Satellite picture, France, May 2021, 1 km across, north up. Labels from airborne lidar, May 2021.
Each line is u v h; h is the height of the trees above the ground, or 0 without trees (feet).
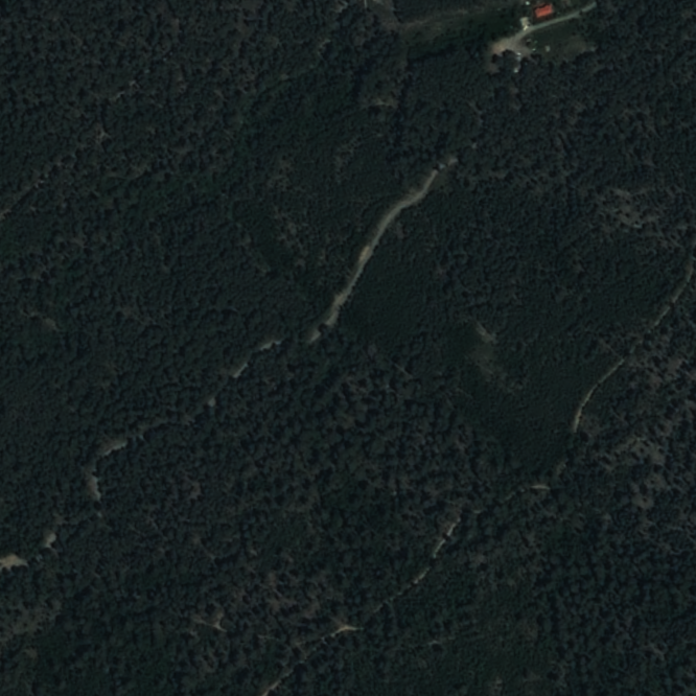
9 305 78
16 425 97
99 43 99
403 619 63
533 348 41
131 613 47
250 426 105
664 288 58
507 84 98
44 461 75
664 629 71
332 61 108
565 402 31
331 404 68
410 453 89
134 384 80
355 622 64
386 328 44
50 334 89
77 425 98
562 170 73
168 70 105
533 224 68
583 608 117
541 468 55
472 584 33
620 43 86
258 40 83
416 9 76
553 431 33
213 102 94
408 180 115
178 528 79
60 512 91
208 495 69
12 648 42
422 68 95
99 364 111
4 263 88
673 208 67
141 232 75
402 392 114
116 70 99
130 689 117
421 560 63
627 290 40
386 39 77
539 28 0
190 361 101
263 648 101
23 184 89
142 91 107
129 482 83
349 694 98
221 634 82
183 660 25
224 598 49
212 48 106
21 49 113
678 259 58
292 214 30
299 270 36
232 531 84
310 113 39
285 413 101
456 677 31
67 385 98
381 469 30
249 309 96
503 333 36
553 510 91
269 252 42
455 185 24
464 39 43
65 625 111
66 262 46
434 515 87
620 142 86
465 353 39
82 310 91
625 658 57
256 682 109
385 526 79
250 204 42
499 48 0
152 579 53
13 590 94
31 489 67
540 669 24
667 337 73
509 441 65
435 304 59
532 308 57
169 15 19
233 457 82
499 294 95
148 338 80
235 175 74
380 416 115
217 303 90
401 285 43
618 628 74
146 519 29
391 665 99
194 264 76
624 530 59
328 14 67
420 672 29
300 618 98
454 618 47
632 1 74
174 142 88
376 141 28
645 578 45
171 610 100
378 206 33
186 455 78
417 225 38
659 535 60
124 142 87
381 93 105
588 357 54
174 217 31
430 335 80
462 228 57
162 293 60
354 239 53
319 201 23
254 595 97
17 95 123
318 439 52
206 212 80
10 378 107
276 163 71
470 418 63
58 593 34
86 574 95
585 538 40
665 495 25
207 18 101
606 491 66
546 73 94
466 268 80
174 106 104
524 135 96
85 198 95
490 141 112
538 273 60
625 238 19
